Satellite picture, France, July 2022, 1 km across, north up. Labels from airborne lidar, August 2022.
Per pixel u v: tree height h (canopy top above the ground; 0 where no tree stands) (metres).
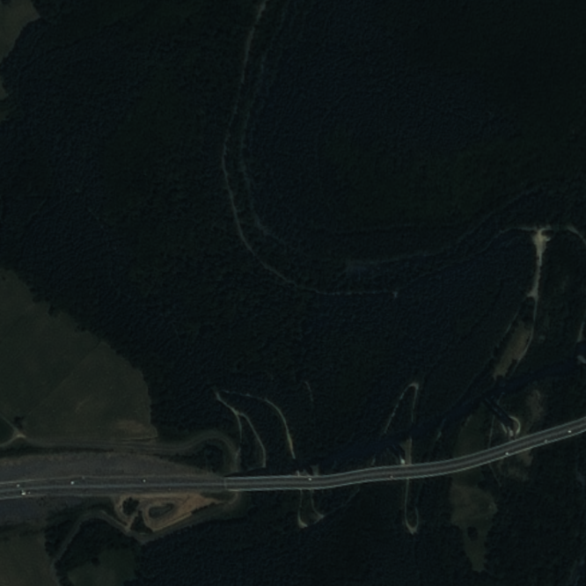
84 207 19
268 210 25
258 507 19
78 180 19
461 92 21
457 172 15
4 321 0
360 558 16
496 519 8
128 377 0
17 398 0
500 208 17
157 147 18
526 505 20
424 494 23
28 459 0
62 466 0
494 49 21
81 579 0
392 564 20
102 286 21
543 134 20
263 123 22
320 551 13
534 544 25
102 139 17
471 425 0
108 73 21
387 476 16
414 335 17
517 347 0
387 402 17
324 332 18
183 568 18
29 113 13
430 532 22
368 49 12
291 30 19
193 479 0
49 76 13
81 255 21
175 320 17
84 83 22
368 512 15
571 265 7
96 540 21
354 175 20
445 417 6
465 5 17
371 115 18
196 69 9
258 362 22
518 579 19
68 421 0
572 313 14
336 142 17
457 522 0
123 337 14
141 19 14
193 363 22
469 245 16
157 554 20
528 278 18
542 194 13
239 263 17
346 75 18
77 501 0
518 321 6
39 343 0
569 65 20
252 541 15
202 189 18
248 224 18
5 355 0
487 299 12
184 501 0
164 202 25
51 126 11
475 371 18
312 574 12
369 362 22
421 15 18
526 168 17
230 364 21
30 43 19
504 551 23
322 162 16
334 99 19
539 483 18
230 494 0
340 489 17
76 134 20
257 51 6
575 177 15
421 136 17
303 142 20
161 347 20
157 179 19
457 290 14
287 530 23
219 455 18
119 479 0
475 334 19
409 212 17
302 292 10
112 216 27
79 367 0
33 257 21
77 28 21
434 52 22
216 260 22
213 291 20
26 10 0
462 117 19
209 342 18
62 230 19
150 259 22
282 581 20
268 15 14
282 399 17
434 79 17
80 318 11
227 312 27
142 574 9
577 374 21
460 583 25
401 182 19
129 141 22
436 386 20
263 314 17
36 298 9
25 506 0
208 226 19
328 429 19
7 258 17
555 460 25
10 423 0
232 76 18
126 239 20
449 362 20
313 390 15
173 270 25
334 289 18
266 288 20
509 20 19
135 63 18
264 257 21
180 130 16
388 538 21
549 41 22
